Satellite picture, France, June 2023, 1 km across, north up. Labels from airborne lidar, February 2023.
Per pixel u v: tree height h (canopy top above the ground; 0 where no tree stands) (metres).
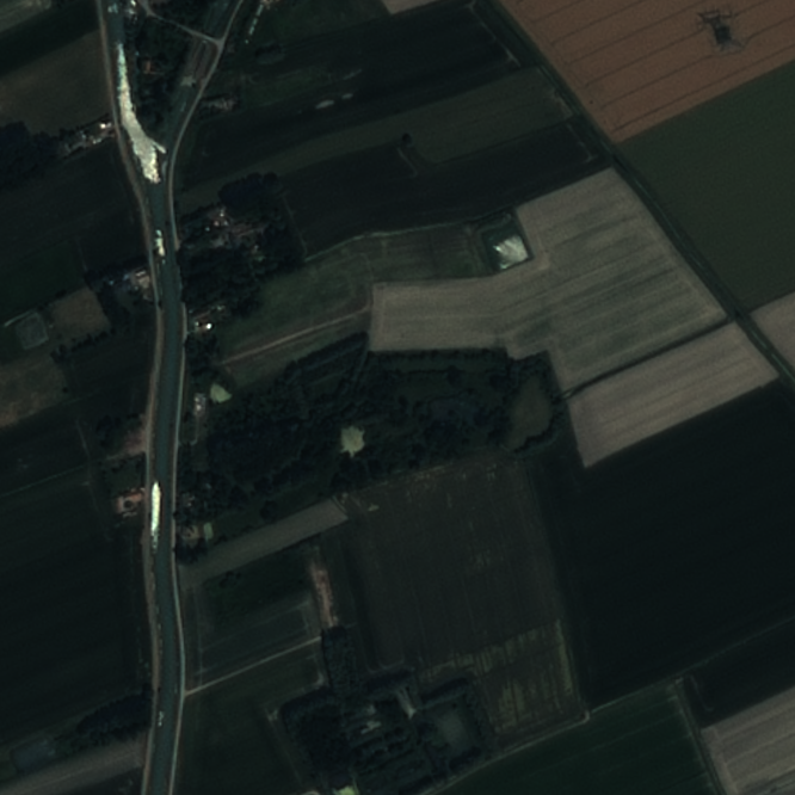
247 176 0
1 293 0
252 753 0
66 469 0
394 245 0
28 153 27
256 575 0
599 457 0
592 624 0
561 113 0
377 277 0
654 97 0
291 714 17
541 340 0
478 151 0
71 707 0
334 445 17
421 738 7
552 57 0
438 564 0
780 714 0
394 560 0
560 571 0
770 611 0
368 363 16
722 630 0
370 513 0
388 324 0
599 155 0
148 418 0
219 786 0
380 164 0
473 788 0
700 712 0
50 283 0
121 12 0
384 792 0
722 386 0
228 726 0
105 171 0
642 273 0
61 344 0
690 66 0
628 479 0
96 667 0
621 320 0
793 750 0
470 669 0
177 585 0
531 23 0
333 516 0
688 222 0
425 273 0
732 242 0
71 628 0
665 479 0
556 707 0
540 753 0
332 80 0
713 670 0
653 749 0
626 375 0
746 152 0
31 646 0
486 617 0
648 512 0
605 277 0
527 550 0
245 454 29
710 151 0
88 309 0
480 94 0
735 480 0
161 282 0
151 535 0
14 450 0
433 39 0
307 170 0
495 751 15
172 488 0
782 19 0
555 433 10
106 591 0
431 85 0
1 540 0
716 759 0
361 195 0
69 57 0
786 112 0
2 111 0
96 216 0
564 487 0
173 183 0
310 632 0
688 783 0
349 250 0
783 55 0
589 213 0
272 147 0
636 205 0
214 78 0
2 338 0
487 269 0
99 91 0
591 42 0
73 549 0
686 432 0
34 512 0
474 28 0
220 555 0
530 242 0
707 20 0
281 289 0
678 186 0
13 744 0
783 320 0
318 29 0
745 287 0
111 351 0
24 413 0
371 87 0
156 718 0
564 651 0
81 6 0
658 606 0
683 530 0
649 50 0
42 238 0
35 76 0
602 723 0
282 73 0
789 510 0
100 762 0
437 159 0
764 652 0
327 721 20
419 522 0
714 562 0
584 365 0
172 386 0
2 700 0
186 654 0
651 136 0
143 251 0
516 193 0
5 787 0
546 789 0
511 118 0
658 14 0
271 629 0
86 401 0
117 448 0
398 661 0
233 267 18
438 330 0
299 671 0
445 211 0
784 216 0
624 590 0
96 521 0
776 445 0
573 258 0
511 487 0
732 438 0
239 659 0
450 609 0
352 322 0
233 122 0
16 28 0
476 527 0
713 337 0
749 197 0
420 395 0
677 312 0
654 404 0
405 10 0
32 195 0
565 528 0
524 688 0
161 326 0
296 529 0
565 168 0
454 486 0
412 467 13
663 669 0
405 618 0
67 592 0
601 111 0
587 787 0
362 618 0
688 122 0
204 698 0
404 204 0
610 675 0
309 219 0
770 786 0
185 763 0
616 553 0
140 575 0
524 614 0
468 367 0
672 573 0
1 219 0
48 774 0
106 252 0
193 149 0
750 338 0
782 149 0
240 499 24
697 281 0
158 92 23
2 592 0
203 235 15
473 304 0
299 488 0
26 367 0
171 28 9
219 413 0
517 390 11
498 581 0
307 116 0
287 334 0
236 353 0
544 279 0
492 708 0
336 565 0
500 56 0
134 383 0
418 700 15
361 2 0
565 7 0
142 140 0
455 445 18
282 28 0
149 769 0
